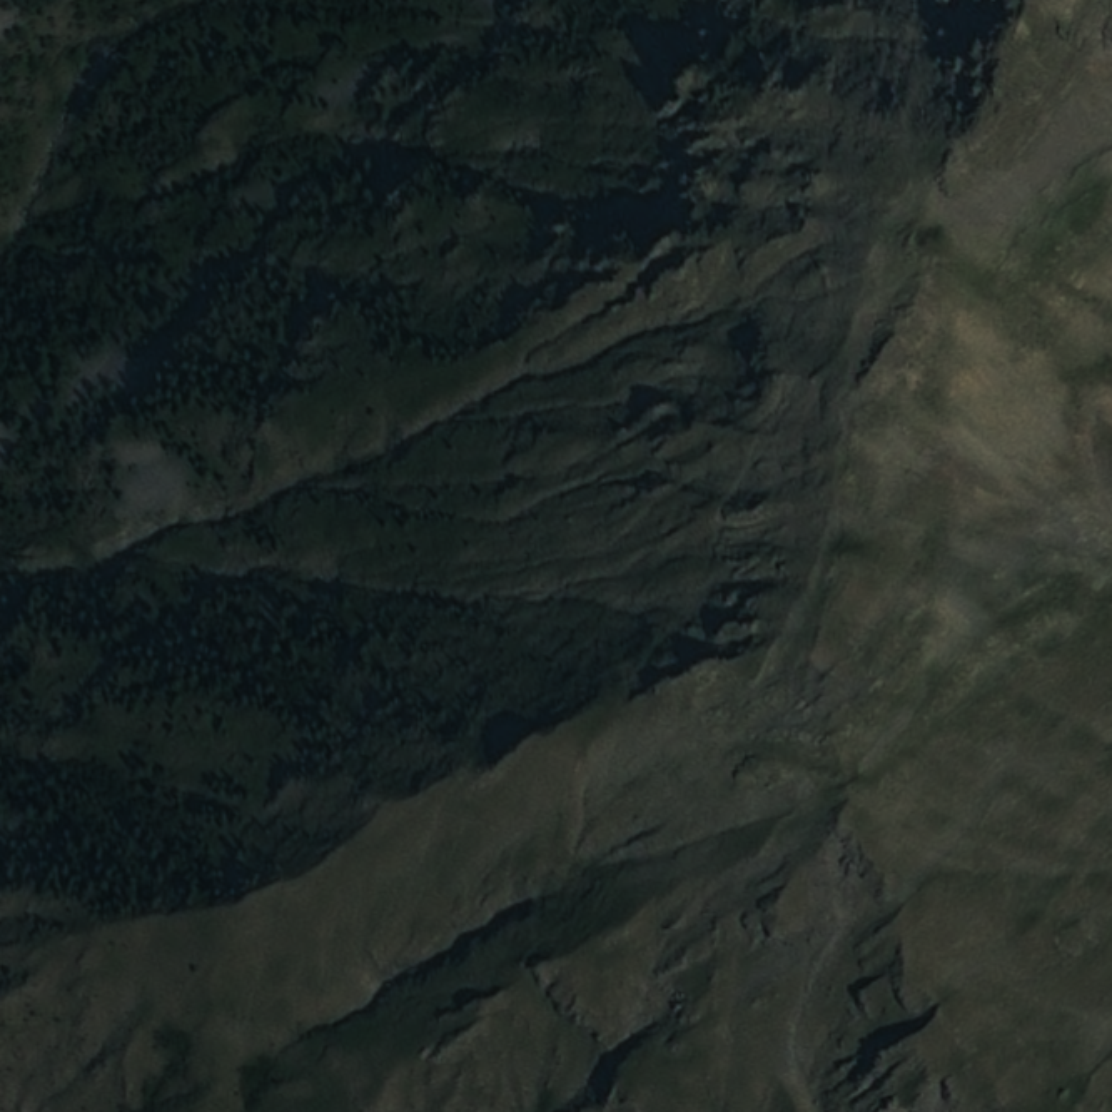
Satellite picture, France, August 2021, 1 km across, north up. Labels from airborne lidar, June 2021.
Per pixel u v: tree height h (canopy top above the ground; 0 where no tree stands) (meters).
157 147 7
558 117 0
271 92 20
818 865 0
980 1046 0
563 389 0
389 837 0
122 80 26
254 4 7
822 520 0
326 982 0
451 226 0
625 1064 0
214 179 22
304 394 10
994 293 0
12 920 0
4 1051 0
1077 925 0
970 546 0
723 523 0
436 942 0
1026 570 0
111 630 17
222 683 15
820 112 0
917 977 0
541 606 0
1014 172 0
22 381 13
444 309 0
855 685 0
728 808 0
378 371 0
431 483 0
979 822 0
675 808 0
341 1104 0
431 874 0
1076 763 0
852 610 0
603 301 0
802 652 0
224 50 21
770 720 0
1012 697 0
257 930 0
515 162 0
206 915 0
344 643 7
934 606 0
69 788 17
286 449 0
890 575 0
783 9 0
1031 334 0
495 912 0
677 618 0
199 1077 0
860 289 0
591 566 0
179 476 0
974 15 0
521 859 0
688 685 0
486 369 0
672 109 0
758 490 0
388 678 9
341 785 0
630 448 0
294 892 0
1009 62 0
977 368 0
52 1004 0
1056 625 0
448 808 0
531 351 0
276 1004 0
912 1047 0
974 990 0
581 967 0
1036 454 0
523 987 0
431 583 0
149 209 0
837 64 0
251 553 0
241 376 15
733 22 0
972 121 0
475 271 0
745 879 0
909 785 0
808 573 0
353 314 13
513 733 0
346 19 6
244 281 7
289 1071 0
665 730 0
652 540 0
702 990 0
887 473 0
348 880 0
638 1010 0
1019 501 0
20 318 8
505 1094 0
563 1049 0
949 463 0
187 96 7
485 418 0
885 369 0
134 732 0
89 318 13
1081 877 0
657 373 0
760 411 0
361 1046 0
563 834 0
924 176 0
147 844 14
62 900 11
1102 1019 0
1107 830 0
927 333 0
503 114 0
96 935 0
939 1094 0
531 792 0
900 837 0
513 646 0
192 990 0
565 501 0
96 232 6
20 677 11
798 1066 0
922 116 0
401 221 0
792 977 0
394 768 0
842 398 0
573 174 0
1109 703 0
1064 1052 0
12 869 17
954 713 0
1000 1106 0
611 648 0
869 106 0
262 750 0
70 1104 0
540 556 0
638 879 0
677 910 0
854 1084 0
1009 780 0
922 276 0
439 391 0
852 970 0
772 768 0
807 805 0
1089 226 0
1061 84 0
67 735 0
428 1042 0
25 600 6
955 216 0
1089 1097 0
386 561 0
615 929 0
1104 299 0
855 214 0
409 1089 0
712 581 0
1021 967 0
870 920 0
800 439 0
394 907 0
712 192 0
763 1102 0
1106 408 0
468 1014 0
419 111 0
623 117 0
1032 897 0
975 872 0
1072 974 0
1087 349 0
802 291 0
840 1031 0
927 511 0
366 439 0
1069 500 0
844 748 0
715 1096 0
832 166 0
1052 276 0
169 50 0
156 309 21
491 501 0
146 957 0
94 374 0
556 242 7
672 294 0
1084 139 0
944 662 0
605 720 0
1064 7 0
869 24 0
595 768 0
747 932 0
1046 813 0
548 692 0
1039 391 0
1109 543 0
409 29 0
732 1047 0
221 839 0
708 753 0
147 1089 6
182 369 22
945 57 0
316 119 0
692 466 0
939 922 0
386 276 0
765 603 0
